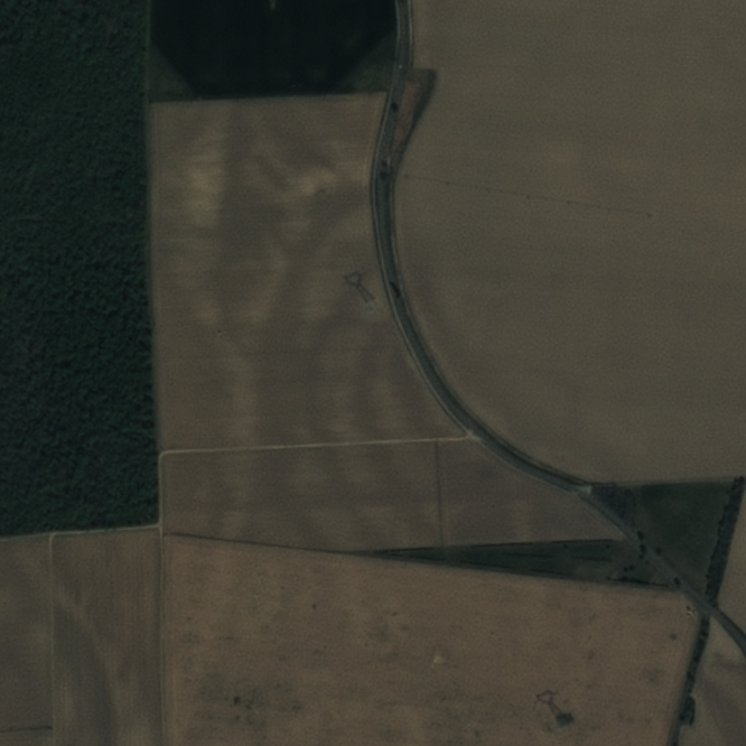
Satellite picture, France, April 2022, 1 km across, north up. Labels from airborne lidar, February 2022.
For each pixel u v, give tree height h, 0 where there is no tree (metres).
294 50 0
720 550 8
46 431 14
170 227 0
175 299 0
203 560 0
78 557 0
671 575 0
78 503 12
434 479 0
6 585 0
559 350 0
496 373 0
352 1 0
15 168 16
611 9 0
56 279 13
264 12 0
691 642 0
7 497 10
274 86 0
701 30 0
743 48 0
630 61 0
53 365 14
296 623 0
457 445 0
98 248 14
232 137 0
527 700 0
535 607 0
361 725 0
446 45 0
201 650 0
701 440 0
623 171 0
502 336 0
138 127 15
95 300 14
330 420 0
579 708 0
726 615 0
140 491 12
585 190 0
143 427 10
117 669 0
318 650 0
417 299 0
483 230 0
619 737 0
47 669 0
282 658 0
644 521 0
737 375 0
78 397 7
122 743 0
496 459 0
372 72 0
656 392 0
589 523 0
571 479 0
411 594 0
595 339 0
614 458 0
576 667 0
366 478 0
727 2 0
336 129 0
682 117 0
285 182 0
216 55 0
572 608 0
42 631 0
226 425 0
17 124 15
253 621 0
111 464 11
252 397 0
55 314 11
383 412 0
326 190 0
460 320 0
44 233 9
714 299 0
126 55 9
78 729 0
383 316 0
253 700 0
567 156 0
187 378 0
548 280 0
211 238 0
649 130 0
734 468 0
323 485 0
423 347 0
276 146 0
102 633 0
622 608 0
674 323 0
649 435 0
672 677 0
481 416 0
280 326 0
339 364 0
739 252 0
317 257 0
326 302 0
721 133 0
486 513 0
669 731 0
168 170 0
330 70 0
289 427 0
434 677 0
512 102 0
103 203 13
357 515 0
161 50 0
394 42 0
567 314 0
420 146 0
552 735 0
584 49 0
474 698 0
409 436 0
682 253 0
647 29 0
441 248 0
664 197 0
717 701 0
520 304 0
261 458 0
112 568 0
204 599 0
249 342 0
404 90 0
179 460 0
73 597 0
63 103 11
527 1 0
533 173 0
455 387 0
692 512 0
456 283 0
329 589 0
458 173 0
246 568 0
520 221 0
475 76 0
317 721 0
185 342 0
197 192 0
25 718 0
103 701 0
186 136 0
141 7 11
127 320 13
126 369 13
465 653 0
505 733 0
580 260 0
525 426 0
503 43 0
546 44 0
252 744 0
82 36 13
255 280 0
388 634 0
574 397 0
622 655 0
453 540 0
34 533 8
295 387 0
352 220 0
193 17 0
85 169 12
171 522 0
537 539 0
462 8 0
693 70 0
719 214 0
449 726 0
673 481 0
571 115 0
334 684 0
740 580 0
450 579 0
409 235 0
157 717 0
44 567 0
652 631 0
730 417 0
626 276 0
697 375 0
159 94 0
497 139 0
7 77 9
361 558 0
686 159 0
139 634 0
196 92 0
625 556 0
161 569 0
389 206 0
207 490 0
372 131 0
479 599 0
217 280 0
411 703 0
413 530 0
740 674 0
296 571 0
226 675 0
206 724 0
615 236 0
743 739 0
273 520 0
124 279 10
